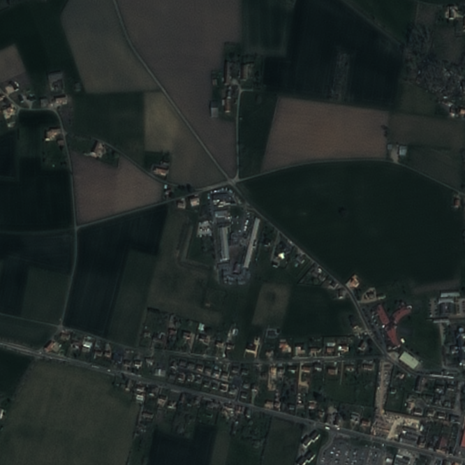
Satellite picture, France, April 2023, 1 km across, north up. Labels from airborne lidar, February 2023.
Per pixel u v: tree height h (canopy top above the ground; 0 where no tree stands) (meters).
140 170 0
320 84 0
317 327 0
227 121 0
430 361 0
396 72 0
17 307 0
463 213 0
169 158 12
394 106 0
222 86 0
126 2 0
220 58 0
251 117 0
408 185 0
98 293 0
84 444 0
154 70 0
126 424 0
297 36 0
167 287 0
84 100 0
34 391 0
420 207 0
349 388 0
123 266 0
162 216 0
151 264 0
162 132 0
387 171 0
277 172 0
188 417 7
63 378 0
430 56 7
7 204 0
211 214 0
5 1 0
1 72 0
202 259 0
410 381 0
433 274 0
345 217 15
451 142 0
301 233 0
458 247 0
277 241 0
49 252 0
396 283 7
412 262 0
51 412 0
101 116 0
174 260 0
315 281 11
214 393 0
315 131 0
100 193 0
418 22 0
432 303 0
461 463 0
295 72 0
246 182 0
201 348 0
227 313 0
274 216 0
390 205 0
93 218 0
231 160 0
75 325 0
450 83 33
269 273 0
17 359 0
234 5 0
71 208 0
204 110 0
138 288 0
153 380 0
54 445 0
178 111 0
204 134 0
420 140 0
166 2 0
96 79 0
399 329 0
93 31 0
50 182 0
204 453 0
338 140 0
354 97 0
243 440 6
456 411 0
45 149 0
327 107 0
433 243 0
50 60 0
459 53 0
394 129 0
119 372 0
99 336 0
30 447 0
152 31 0
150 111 0
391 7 0
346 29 0
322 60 0
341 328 0
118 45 0
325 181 0
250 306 0
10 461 0
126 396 0
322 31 0
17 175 0
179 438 0
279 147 0
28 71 0
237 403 0
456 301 0
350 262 0
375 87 0
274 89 0
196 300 0
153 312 9
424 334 0
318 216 0
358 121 0
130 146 0
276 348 0
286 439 0
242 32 0
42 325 0
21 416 0
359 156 0
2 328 0
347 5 0
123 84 0
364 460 0
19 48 0
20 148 0
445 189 0
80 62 0
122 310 0
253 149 0
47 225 0
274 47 0
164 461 0
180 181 0
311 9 0
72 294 0
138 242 0
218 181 0
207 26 0
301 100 0
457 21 8
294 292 0
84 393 0
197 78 0
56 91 0
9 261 0
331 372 0
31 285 0
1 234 0
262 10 0
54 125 0
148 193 0
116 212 0
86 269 0
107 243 0
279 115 0
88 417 0
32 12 0
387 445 0
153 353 0
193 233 0
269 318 0
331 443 0
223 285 0
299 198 0
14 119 6
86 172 0
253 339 0
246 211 0
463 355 0
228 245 0
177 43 0
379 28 0
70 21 0
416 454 0
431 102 0
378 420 0
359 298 7
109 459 0
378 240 0
